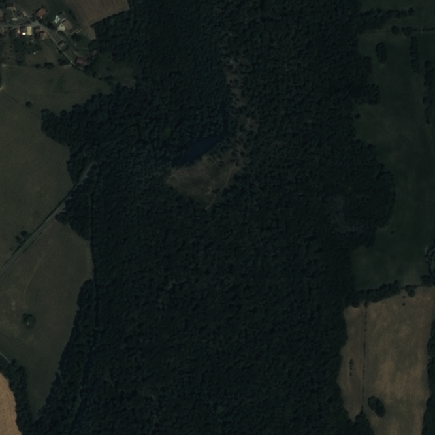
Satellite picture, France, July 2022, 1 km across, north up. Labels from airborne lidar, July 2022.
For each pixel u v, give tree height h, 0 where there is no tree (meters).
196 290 24
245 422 17
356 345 0
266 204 24
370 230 18
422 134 0
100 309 23
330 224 23
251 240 20
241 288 28
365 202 20
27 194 0
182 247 16
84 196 23
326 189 23
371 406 13
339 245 21
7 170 0
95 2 0
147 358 23
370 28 19
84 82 0
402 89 0
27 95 0
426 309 0
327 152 21
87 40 0
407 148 0
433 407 13
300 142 13
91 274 0
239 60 18
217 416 21
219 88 12
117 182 24
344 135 22
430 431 7
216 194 24
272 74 22
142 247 16
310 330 25
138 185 7
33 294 0
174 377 18
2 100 0
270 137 15
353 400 0
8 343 0
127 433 20
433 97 7
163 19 28
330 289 17
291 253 17
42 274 0
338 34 22
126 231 19
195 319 24
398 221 0
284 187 16
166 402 23
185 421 22
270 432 15
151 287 18
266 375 15
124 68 0
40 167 0
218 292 21
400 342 0
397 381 0
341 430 23
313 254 25
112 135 25
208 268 22
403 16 18
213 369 18
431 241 0
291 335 18
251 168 18
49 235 0
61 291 0
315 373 23
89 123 22
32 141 0
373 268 0
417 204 0
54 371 0
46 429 22
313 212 20
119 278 20
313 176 17
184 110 24
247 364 19
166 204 17
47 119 10
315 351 18
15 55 0
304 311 22
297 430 19
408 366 0
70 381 20
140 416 21
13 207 0
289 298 17
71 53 0
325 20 29
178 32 24
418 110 0
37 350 0
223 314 21
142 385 24
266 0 28
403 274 0
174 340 20
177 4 14
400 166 0
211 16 11
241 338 20
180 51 25
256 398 16
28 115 0
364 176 19
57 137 8
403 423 0
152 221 17
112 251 23
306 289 20
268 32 24
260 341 18
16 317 0
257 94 18
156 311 21
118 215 25
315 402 23
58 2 0
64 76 0
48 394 0
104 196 27
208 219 22
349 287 21
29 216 0
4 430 0
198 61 19
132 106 19
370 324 0
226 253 25
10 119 0
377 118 0
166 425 21
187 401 23
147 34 27
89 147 19
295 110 23
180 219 21
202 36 19
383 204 16
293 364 22
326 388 24
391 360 0
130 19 14
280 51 12
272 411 15
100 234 27
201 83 19
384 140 0
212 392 27
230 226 22
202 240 21
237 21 20
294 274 20
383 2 0
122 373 21
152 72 24
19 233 0
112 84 14
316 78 31
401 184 0
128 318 20
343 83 28
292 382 19
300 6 24
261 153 17
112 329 23
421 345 0
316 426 24
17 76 0
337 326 24
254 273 25
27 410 15
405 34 14
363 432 18
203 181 0
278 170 19
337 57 27
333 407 28
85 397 21
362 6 22
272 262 20
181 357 20
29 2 0
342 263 18
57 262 0
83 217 24
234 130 15
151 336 22
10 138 0
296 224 18
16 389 16
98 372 27
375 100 17
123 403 28
